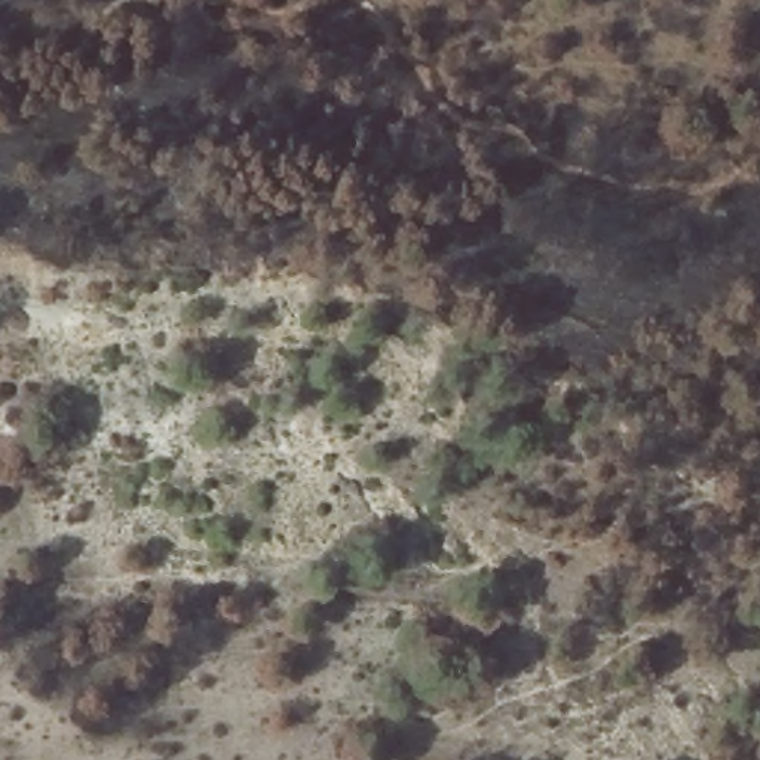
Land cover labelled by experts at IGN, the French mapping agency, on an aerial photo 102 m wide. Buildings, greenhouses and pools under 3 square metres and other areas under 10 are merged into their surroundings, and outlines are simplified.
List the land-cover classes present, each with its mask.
<instances>
[{"label":"coniferous trees","instance_id":"1","mask_svg":"<svg viewBox=\"0 0 760 760\"><path fill-rule=\"evenodd\" d=\"M89 101H98L92 125L77 143V157L86 169L101 172L107 178V187H125L131 175L154 166V175L172 178L166 199L175 205L178 217L193 220V238H205L217 249L238 246L240 258H261L270 270V279L306 276L312 282L315 303L309 315H303L309 344L300 350L282 347V356L291 365L288 374H261L252 359L232 383H211L202 374V368L190 362L181 350L157 362V371L172 374L175 380L169 389H148L151 413L163 419L169 407L181 401H196L190 439L202 448H217L229 442L235 445L255 425L264 428L267 439L276 442V413L294 419L306 407H315L324 416V430H338L341 436L359 433L365 413L341 404V383L335 380L330 365L333 356L341 350L350 356H356L362 344L383 350L389 338L371 330V309L374 303H380V294H365L353 288L341 258L356 249L371 255L392 252L395 232L401 226L410 232H425L428 240L422 246V255L428 261H436L442 270H451L463 288L493 294V318L502 324L511 321L517 335L561 321L576 300L573 285H564L558 276H543L531 270L528 255L537 249L540 238H552L564 249H594L597 270H618L620 279L629 282L671 276L677 273L680 261L692 252L721 255L715 276H721L733 291L727 303L715 312V318L710 324H701V341L715 350L707 377L692 374L677 389L647 398L644 413L618 419L612 413V404H606V386H582V377L564 374L570 368L564 347L540 344L523 347L520 353L502 350V365H490V353H478L457 365L466 416L457 436L442 445L445 469L436 490L445 499L469 490H475L484 502L505 499L496 520L520 525L531 534L603 537L612 546L615 567L588 576L585 597L576 606V620L570 623L567 641L561 644L564 662L588 659L597 647L600 632H620L632 620H641L647 615H665L686 600L695 603V620L707 626V647L713 659H727L739 650L760 653V0H0V134H9V128H21L36 119H50L59 110H86ZM27 395L33 398V404L6 413V422L15 428V436L0 433V514L12 511L21 502V496L33 490H42L48 502L62 496V481H56L53 475L56 469H71L74 463H83V448L92 442L101 425V401L92 392H83V386L65 380L27 383ZM386 534V517H377L371 525L353 528L327 552L333 561L350 564V579L356 582L350 594H356V603L416 606V620H404L401 612H392L386 618V626L395 632L398 644L383 650L380 662H365L353 674L374 695V715L398 721L404 715H422L433 721L439 710H451L457 721H463L466 715L487 710V704H493L496 695H511L514 677L499 680L493 686L481 677L478 656L439 659L428 647L425 629V618L451 615L463 626L478 629L484 615L478 612V594L484 585L493 582L496 567H487L475 576L451 579L448 573L436 576L430 570L433 561H422L395 570L389 582L374 552V543ZM83 552L80 537H56L39 546L27 561L33 570V582L6 579L0 573V653L15 668L18 689L30 692L39 701H53L65 695L71 701L74 727H80L92 739L131 736L137 739V748L154 751V760H172L175 754H181V742H163L160 733H187V727L196 721V710H187L175 718H163L157 701L175 683H181L190 674V668L199 665L208 653L223 650L232 635L249 629L255 623V609L273 603L276 591L267 582H140L122 600H59L56 591L65 579L68 561H74ZM359 718H353L335 733L333 748L338 760H371L377 739H359Z\"/></svg>","mask_w":760,"mask_h":760},{"label":"bare soil","instance_id":"2","mask_svg":"<svg viewBox=\"0 0 760 760\"><path fill-rule=\"evenodd\" d=\"M98 101H89L86 110H59L50 119H36L21 128H9V134H0V433L15 436V428L6 422V413L33 404V398L27 395V383L65 380L83 386V392H92L101 401V425L92 442L83 448V463H74L71 469H56L53 475L56 481H62V496L48 502L42 490H33L21 496V502L12 511L0 514V573L6 579L33 582V570L27 561L39 546L56 537H80L83 552L74 561H68L65 579L56 591L59 600H122L140 582H267L276 591L273 603L255 609V623L249 629L232 635L223 650L208 653L199 665L190 668V674L181 683H175L157 701L163 718H175L187 710H196V721L187 727V733H160L163 742H181V754H175L172 760H338L333 748L335 733L353 718H359V739H377L371 760H760V653L739 650L727 659H713L707 647V626L695 620V603L686 600L665 615H647L641 620H632L620 632H600L597 647L588 659L564 662L561 644L567 641L570 623L576 620V606L585 597L588 576L615 567L612 546L603 537L531 534L520 525L496 520L505 499L484 502L475 490H469L445 499L436 490L445 469L442 445L457 436L466 416L457 365L478 353H490V365H502V350L520 353L523 347L540 344L564 347L570 368L564 374L582 377V386H606V404H612V413L618 419L644 413L647 398L677 389L692 374L707 377L715 350L701 341V324H710L715 318V312L727 303L733 291L721 276H715L721 255L692 252L680 261L677 273L671 276L629 282L620 279L618 270H597L594 249H564L552 238H540L537 249L528 255L531 270L543 276H558L564 285H573L576 300L561 321L517 335L511 321L502 324L493 318V294L463 288L451 270H442L436 261H428L422 255V246L428 240L425 232H410L401 226L395 232L392 252L371 255L356 249L341 258L353 288L365 294H380V303H374L371 309V330L389 338L383 350L362 344L356 356H350L341 350L333 356L330 365L335 380L341 383V404L365 413L359 433L341 436L338 430H324V416L315 407H306L294 419L276 413V442L267 439L264 428L255 425L235 445L229 442L217 448H202L190 439L196 401H181L169 407L163 419L151 413L148 389H169L175 380L172 374L157 371V362L181 350L190 362L202 368V374L211 383H232L252 359L261 374H288L291 365L282 356V347L300 350L309 344L303 315H309L315 303L312 282L306 276L270 279V270L261 258H240L238 246L217 249L205 238H193V220L178 217L175 205L166 199L172 178L154 175V166L131 175L125 187H107V178L101 172L86 169L77 157V143L92 125ZM113 433L145 439L148 460L166 457L172 448H181L184 457L175 463L172 472L175 478H193L196 484L220 472L252 475L255 481H270L276 472H294V484H285L276 493L270 540H243L238 564L217 567L211 573H196V564L211 561V546L208 540L187 534L184 511L178 505L125 508L116 505L113 490L101 487V451L113 445ZM377 517H386V534L374 543V552L389 582L395 570L422 561H433L430 570L436 576L448 573L451 579L475 576L487 567H496L493 582L484 585L478 594V612L484 615L478 629L463 626L451 615L425 618V629L428 647L439 659L478 656L481 677L493 686L499 680L514 677L511 695H496L493 704H487V710L466 715L463 721H457L451 710H439L433 721L422 715H404L398 721L374 715V695L353 674L365 662H380L383 650L398 644L395 632L386 626V618L392 612H401L404 620H416V606L356 603V594H350L356 582L350 579V564L333 561L327 552L353 528L371 525ZM0 760H154V751L137 748V739L131 736L92 739L80 727H74L71 701L65 695L53 701H39L30 692L18 689L15 668L0 653Z\"/></svg>","mask_w":760,"mask_h":760},{"label":"brushwood","instance_id":"3","mask_svg":"<svg viewBox=\"0 0 760 760\"><path fill-rule=\"evenodd\" d=\"M145 439L113 433V445L101 451V487L113 490L116 505L125 508L178 505L184 511L187 534L208 540L211 546V561L196 564V573H211L217 567L238 564L243 540H270L276 493L285 484H294V472H276L270 481H255L252 475L220 472L196 484L193 478H175L172 472L175 463L184 457L181 448H172L166 457L148 460Z\"/></svg>","mask_w":760,"mask_h":760}]
</instances>
